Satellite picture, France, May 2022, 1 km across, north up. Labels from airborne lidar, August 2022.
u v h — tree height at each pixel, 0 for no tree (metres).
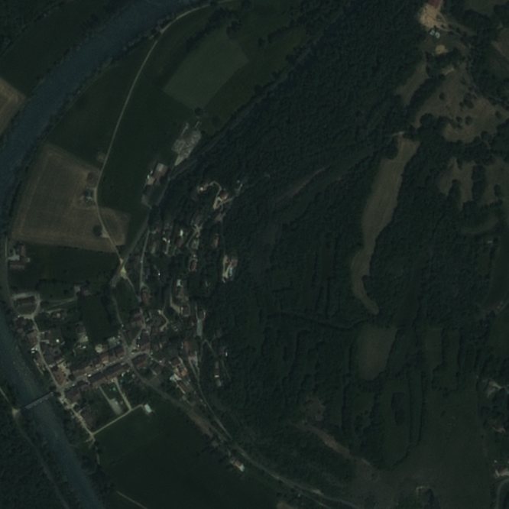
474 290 16
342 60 15
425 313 9
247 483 0
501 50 0
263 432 6
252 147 19
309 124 10
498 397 11
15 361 0
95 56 0
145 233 0
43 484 13
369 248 0
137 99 0
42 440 19
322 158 9
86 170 0
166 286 10
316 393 11
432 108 0
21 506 15
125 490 0
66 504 6
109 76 0
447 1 15
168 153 0
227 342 16
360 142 8
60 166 0
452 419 0
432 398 0
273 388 9
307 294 0
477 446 0
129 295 0
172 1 0
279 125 22
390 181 0
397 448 0
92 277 0
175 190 24
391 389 0
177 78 0
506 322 0
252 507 0
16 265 0
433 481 0
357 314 11
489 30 19
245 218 8
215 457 10
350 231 18
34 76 0
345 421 10
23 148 0
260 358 15
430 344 0
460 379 7
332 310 11
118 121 0
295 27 14
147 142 0
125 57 32
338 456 11
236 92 0
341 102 15
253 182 11
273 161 13
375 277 12
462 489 0
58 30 0
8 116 0
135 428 0
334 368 17
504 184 0
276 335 13
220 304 16
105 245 0
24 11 28
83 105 0
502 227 12
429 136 17
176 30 0
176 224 11
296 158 9
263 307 8
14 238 0
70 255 0
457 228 8
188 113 0
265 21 0
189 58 0
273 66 0
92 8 0
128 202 0
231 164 11
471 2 0
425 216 15
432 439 0
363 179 15
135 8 0
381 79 9
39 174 0
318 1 19
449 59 19
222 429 8
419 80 0
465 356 13
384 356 0
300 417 7
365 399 0
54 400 0
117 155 0
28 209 0
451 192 11
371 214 0
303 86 23
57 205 0
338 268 18
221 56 0
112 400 0
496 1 0
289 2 0
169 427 0
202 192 7
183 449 0
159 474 0
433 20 0
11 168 0
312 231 15
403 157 0
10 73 0
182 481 0
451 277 14
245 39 0
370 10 18
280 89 13
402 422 8
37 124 0
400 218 14
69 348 18
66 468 0
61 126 0
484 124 0
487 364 15
